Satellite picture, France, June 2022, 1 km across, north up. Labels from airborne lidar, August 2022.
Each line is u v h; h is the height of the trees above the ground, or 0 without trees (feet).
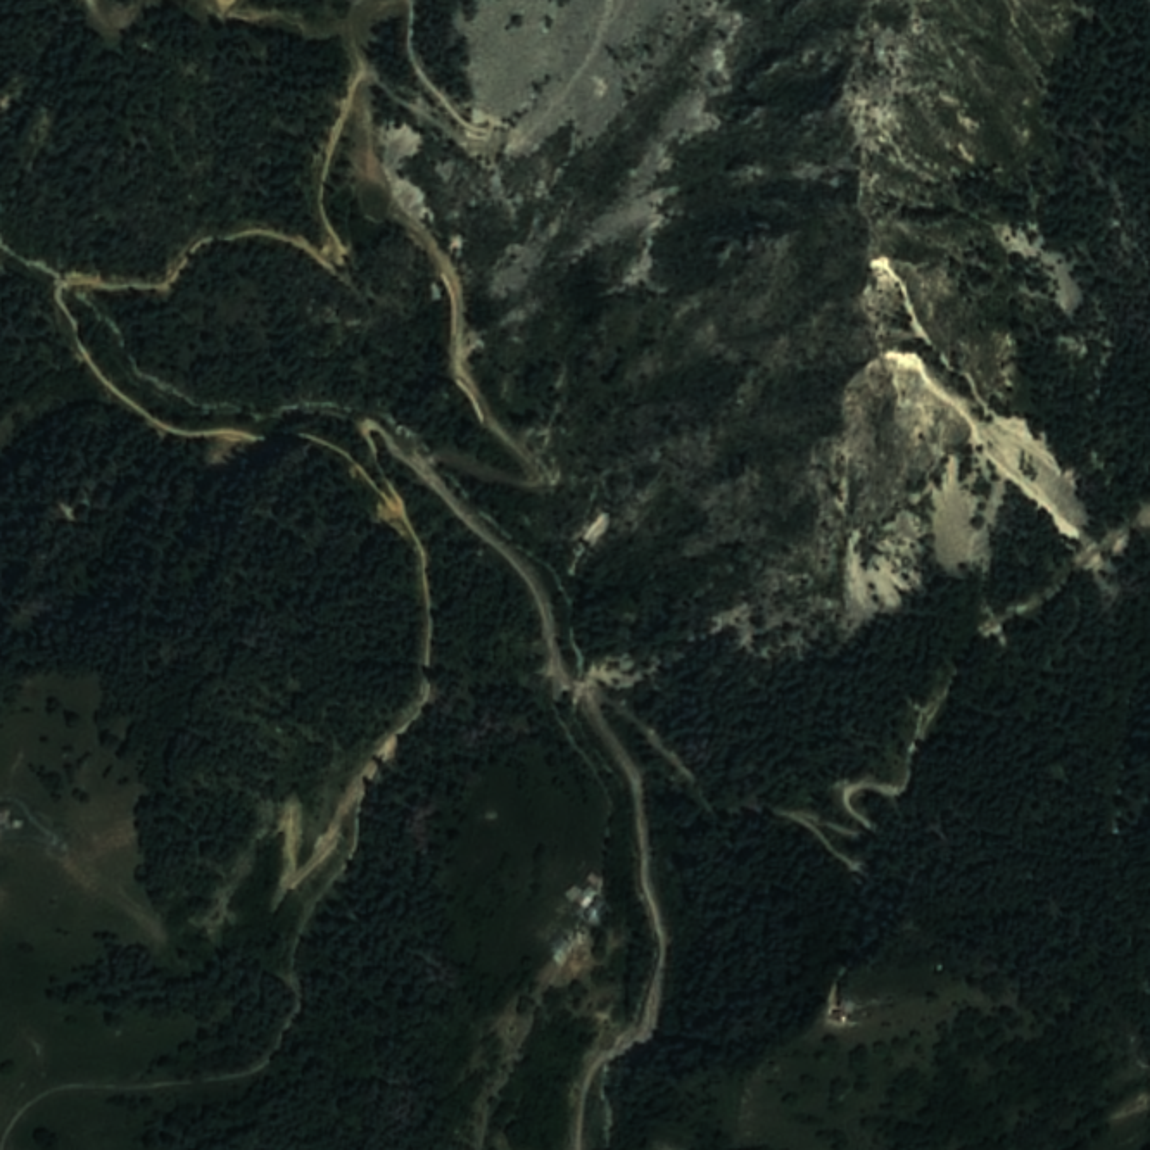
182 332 65
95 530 80
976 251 25
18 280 48
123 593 67
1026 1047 33
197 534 20
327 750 31
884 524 25
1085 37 85
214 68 49
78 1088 0
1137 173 75
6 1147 0
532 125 0
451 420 27
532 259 0
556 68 0
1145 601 35
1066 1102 47
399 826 65
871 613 0
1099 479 54
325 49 67
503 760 51
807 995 33
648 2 0
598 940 31
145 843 50
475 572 31
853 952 26
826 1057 33
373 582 85
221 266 62
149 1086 0
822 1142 33
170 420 61
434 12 68
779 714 97
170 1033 0
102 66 87
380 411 22
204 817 70
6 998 0
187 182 36
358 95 0
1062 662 26
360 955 49
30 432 30
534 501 35
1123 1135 0
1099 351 34
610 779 35
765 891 42
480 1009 36
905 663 64
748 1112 0
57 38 69
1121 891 88
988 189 62
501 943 0
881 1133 28
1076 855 84
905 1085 41
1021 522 54
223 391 26
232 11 0
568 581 35
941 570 27
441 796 82
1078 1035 58
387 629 55
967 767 74
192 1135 94
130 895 0
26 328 94
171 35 64
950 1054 48
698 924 23
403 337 24
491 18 0
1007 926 87
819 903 49
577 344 19
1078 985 58
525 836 0
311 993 56
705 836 107
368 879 103
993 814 76
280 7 42
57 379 35
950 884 59
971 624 41
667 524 39
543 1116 27
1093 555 0
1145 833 54
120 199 23
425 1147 76
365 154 0
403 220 0
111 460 67
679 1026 33
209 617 77
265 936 24
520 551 19
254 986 97
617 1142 30
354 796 0
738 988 98
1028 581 100
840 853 30
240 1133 84
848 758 68
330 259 0
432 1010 92
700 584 18
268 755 43
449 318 26
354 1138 29
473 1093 29
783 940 105
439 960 94
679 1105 36
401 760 24
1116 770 48
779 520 18
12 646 74
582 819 0
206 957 27
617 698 29
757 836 120
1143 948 76
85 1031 0
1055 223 45
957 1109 48
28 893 0
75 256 26
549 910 0
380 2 0
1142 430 68
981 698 62
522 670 29
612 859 39
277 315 57
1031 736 90
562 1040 31
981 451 23
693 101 0
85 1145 0
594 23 0
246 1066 35
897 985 0
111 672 84
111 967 30
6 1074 48
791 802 22
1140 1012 44
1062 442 79
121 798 0
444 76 28
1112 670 78
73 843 0
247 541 79
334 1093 37
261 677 42
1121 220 32
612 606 47
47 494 68
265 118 33
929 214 75
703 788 36
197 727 67
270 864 41
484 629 57
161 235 45
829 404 18
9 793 0
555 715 27
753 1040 43
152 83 78
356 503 69
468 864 0
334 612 51
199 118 34
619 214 0
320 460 108
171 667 24
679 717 60
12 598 97
